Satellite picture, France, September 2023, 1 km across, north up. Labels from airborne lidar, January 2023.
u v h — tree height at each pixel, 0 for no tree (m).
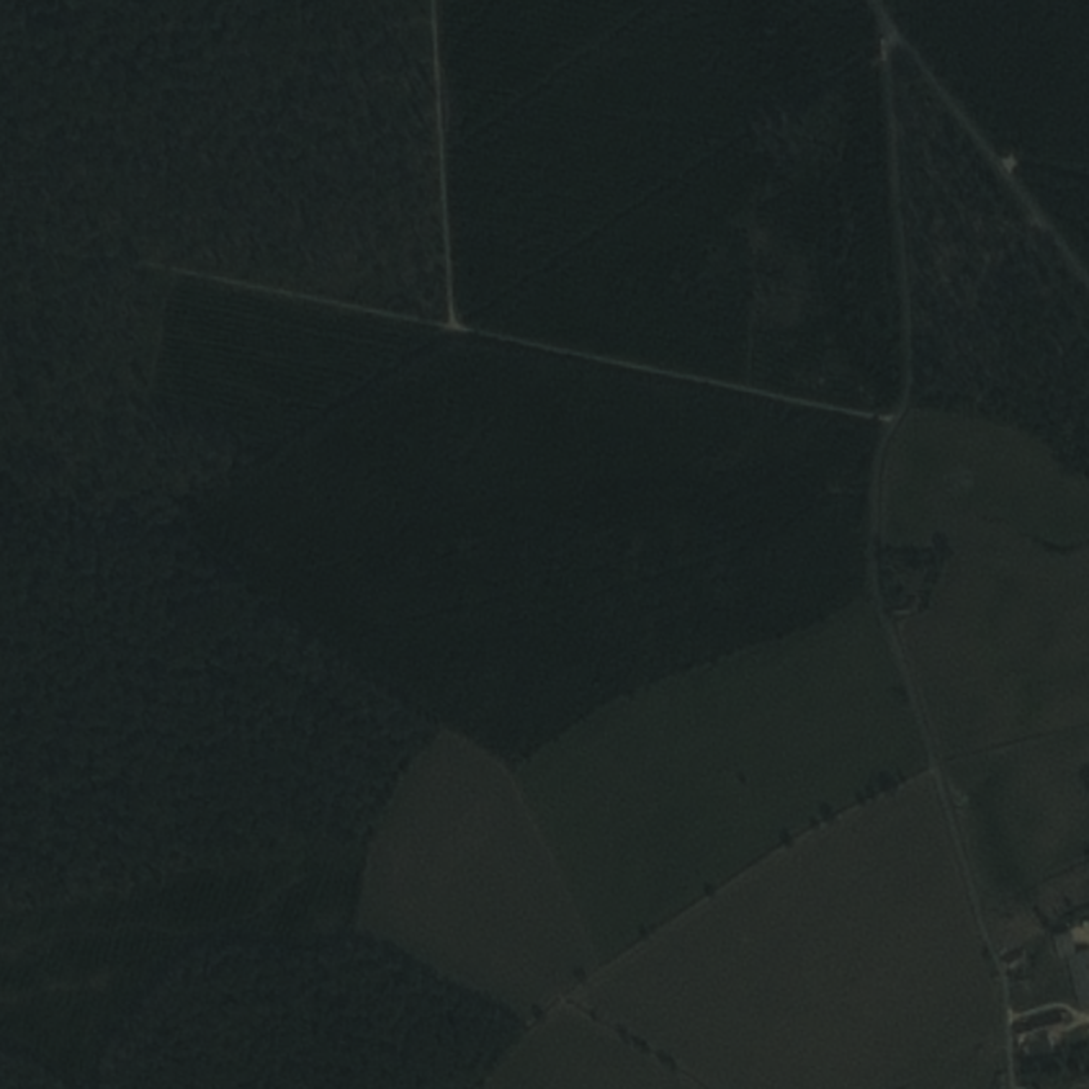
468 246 6
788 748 0
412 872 0
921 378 22
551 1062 0
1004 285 26
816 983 0
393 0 31
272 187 29
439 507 10
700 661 9
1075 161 16
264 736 27
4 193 32
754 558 7
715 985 0
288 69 32
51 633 28
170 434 29
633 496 9
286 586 10
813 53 7
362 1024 21
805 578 8
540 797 0
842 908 0
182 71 30
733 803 0
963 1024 0
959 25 22
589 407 8
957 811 0
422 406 10
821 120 19
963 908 0
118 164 29
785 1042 0
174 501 24
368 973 19
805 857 0
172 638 31
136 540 31
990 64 22
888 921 0
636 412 8
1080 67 15
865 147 8
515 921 0
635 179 5
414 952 0
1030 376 27
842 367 0
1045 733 0
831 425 8
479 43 5
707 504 9
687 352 6
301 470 9
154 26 27
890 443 0
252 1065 13
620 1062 0
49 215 33
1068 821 0
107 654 27
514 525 10
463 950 0
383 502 8
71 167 28
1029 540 0
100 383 24
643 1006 0
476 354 11
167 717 31
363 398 12
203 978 18
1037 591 0
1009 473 0
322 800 29
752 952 0
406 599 7
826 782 0
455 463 10
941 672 0
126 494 27
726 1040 0
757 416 9
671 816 0
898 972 0
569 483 8
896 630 0
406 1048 23
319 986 17
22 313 24
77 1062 0
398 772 12
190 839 28
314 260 30
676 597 8
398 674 10
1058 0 22
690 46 6
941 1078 0
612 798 0
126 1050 22
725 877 0
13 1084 22
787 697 0
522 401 10
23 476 25
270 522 12
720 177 7
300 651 28
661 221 6
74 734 30
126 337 23
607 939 0
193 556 30
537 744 8
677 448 8
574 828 0
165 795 30
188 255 30
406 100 0
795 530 7
